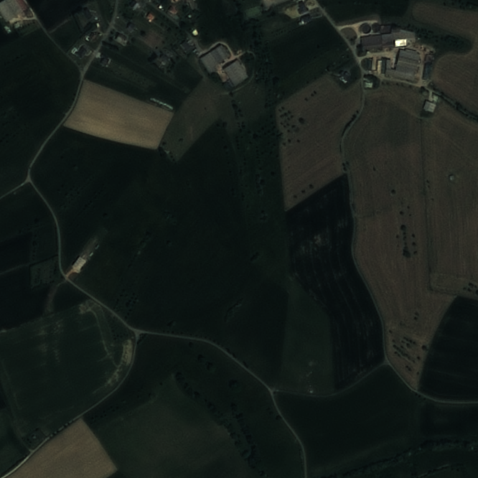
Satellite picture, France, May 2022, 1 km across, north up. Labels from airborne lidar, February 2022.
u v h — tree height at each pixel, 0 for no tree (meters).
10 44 0
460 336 0
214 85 0
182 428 0
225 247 0
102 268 0
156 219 0
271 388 0
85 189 0
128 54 0
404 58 0
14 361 0
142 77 0
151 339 0
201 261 0
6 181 0
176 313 0
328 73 0
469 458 0
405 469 0
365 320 0
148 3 0
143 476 0
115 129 0
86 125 0
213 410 13
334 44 0
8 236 0
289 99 0
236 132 0
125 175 0
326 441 0
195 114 0
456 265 0
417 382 0
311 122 0
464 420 0
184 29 8
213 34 0
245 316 0
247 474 0
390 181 0
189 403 0
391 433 0
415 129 0
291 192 0
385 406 0
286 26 0
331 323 0
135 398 0
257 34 7
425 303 0
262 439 0
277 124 0
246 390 0
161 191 0
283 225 0
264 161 0
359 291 0
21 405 0
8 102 0
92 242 0
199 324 0
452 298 0
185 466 0
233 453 0
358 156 0
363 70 0
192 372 0
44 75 0
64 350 0
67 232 0
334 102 0
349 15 0
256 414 0
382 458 0
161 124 0
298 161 0
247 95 0
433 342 0
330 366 0
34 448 0
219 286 0
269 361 0
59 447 0
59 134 0
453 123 0
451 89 0
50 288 0
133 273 0
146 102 0
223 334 0
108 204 0
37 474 0
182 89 0
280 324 0
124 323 0
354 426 0
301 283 0
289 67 0
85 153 0
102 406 0
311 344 0
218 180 0
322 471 0
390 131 0
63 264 0
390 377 0
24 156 0
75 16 13
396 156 0
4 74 0
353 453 0
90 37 0
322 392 0
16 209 0
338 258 0
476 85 0
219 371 0
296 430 0
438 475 0
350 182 0
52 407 0
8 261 0
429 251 0
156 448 0
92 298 0
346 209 0
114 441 0
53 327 0
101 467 0
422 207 0
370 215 0
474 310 0
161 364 0
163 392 0
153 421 0
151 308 0
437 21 0
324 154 0
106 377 0
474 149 0
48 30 0
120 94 0
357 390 0
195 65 0
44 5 0
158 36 0
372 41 0
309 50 0
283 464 0
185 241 0
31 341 0
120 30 0
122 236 0
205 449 0
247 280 0
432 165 0
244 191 0
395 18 0
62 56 0
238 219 0
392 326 0
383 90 0
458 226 0
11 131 0
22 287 0
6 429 0
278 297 0
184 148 0
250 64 0
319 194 0
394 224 0
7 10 0
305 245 0
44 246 0
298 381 0
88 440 0
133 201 0
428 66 0
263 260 0
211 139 0
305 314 0
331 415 0
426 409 0
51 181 0
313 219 0
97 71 0
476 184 0
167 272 0
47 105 0
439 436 0
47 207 0
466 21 0
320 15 0
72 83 0
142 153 0
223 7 0
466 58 0
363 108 0
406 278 0
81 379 0
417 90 0
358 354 0
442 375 0
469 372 0
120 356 0
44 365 0
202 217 0
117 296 0
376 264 0
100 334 0
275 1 0
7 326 0
